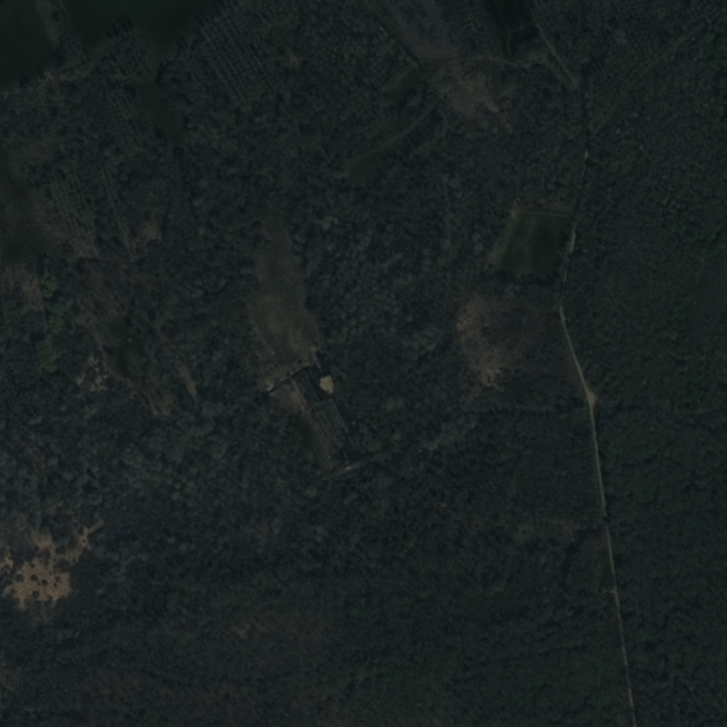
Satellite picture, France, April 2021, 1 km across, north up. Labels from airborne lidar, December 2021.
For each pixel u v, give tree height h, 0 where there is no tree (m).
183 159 26
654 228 23
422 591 21
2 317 32
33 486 39
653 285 16
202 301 23
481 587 25
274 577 23
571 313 14
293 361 0
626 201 21
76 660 16
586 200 10
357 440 0
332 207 25
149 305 8
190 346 25
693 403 15
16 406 7
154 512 8
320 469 21
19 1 0
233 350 12
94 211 19
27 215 0
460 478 26
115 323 0
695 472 26
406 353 18
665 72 23
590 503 17
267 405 23
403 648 21
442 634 16
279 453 20
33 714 7
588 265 11
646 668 8
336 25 27
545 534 19
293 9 28
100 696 26
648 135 21
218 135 27
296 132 32
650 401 24
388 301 32
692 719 30
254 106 14
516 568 12
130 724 26
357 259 31
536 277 0
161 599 12
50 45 0
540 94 20
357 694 24
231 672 19
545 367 15
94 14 0
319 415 0
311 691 23
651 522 31
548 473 16
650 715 30
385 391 29
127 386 7
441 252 21
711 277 11
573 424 17
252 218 12
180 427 23
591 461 17
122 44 23
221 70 31
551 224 0
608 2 30
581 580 28
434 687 25
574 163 24
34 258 0
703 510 28
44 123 19
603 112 33
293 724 20
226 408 22
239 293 16
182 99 26
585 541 28
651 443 23
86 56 30
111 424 18
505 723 28
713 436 27
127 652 19
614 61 38
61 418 11
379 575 22
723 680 31
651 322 18
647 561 28
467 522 28
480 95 0
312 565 20
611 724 28
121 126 34
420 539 18
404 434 21
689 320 13
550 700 27
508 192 20
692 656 30
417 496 24
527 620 29
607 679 26
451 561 25
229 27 35
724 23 18
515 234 0
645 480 29
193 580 19
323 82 22
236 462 8
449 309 21
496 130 24
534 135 15
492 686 24
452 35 20
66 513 8
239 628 13
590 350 17
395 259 27
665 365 20
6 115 11
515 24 0
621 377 23
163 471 20
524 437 9
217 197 8
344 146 20
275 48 11
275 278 0
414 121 15
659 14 23
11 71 0
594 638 28
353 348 7
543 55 30
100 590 24
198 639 10
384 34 30
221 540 19
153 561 21
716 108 19
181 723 27
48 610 16
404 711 21
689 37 28
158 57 0
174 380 17
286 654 21
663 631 23
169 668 19
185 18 0
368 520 14
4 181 0
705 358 11
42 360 20
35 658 11
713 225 19
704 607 26
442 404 18
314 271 10
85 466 11
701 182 22
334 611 21
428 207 23
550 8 28
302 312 0
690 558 30
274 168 22
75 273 14
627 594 30
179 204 29
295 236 18
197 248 27
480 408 18
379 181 10
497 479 30
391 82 30
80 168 7
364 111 32
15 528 20
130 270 8
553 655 28
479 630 22
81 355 7
